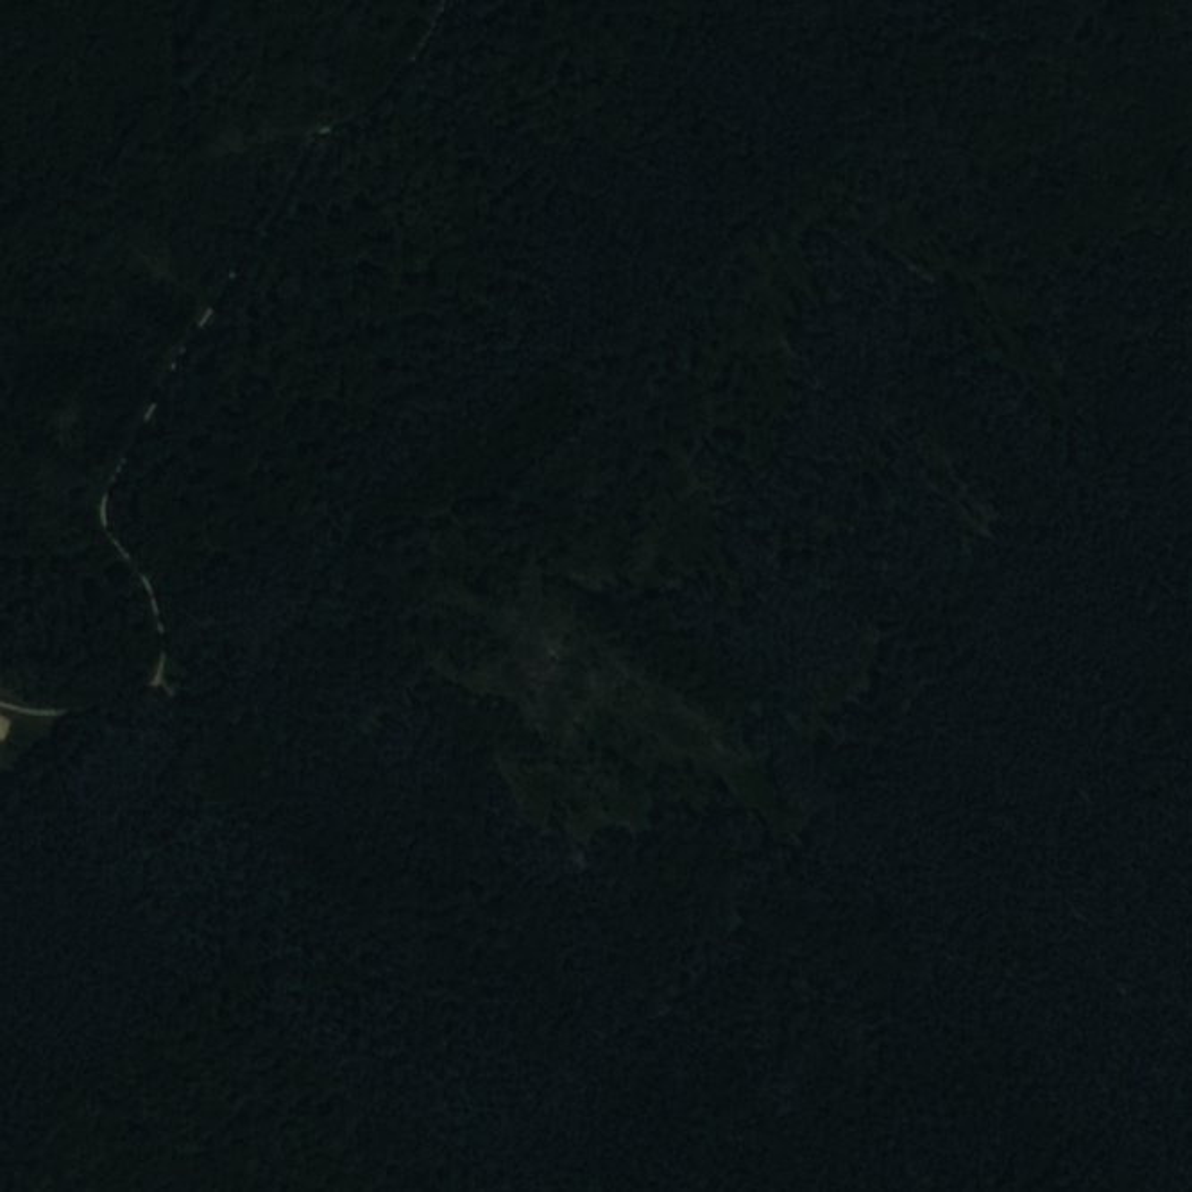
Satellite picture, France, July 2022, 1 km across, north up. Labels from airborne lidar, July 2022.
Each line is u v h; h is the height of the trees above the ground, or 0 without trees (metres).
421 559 14
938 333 13
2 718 0
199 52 24
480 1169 15
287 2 23
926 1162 18
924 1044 16
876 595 21
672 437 7
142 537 19
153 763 28
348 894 15
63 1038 21
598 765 8
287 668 13
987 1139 16
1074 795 20
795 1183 17
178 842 16
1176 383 12
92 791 30
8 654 8
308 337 22
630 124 21
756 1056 20
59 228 20
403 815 15
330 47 8
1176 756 21
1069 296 20
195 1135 16
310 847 18
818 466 9
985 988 21
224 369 24
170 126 8
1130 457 18
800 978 26
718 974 14
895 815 21
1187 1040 17
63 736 19
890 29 14
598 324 20
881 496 24
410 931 17
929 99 20
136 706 9
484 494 7
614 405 15
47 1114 21
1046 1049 19
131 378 8
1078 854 16
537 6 9
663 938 16
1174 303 14
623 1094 12
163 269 0
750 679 13
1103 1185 21
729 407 8
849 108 20
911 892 24
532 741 15
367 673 19
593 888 19
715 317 17
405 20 10
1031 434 28
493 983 19
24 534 13
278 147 6
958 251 22
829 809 26
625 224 19
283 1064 15
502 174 16
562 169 23
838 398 27
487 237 19
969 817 22
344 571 18
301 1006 15
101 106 18
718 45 21
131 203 16
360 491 19
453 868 14
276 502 19
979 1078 14
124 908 25
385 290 18
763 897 26
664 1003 9
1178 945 19
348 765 15
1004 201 11
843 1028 19
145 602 14
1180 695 17
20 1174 15
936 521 24
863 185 25
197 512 20
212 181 7
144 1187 18
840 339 28
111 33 14
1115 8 25
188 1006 16
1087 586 24
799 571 16
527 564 16
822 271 27
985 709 11
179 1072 15
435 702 18
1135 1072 22
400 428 19
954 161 20
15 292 21
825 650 30
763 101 21
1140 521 21
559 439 8
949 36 19
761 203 20
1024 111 19
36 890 24
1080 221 16
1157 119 19
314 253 18
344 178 22
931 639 14
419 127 13
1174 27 14
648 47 19
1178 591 17
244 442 21
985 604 20
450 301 17
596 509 12
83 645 22
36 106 16
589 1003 17
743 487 6
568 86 17
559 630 0
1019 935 18
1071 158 21
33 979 20
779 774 27
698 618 29
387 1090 16
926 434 10
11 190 7
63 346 8
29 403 7
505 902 12
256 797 16
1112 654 19
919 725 16
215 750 17
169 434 18
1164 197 19
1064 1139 15
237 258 12
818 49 24
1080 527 22
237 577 22
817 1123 15
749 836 27
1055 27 19
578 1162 12
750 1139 14
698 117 17
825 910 18
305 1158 15
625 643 11
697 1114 20
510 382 22
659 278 17
